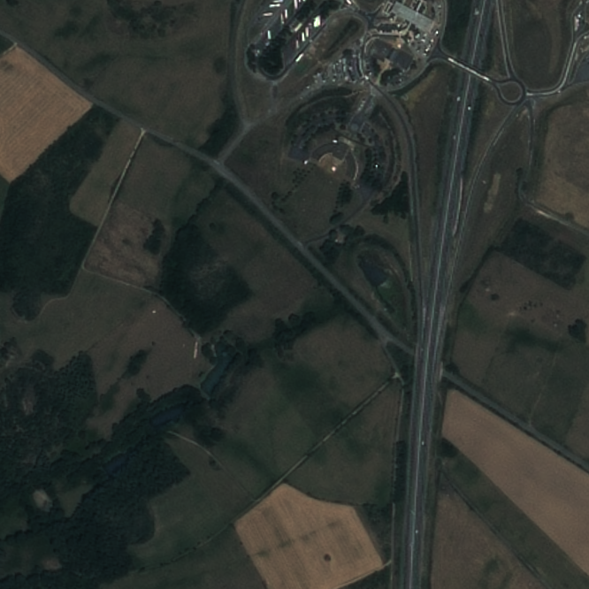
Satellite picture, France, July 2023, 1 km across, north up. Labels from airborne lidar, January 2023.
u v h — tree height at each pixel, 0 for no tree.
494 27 0
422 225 0
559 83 0
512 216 0
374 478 0
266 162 0
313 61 0
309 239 0
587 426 0
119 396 0
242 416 0
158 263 0
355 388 0
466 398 0
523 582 0
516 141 0
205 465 0
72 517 6
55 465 14
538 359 0
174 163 0
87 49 0
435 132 0
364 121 0
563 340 0
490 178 0
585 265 0
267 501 0
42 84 0
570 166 0
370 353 0
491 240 0
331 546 0
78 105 0
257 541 0
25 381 7
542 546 0
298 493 0
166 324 0
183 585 0
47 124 0
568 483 0
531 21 0
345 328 0
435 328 0
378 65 9
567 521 0
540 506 0
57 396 6
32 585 13
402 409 0
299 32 0
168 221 0
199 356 0
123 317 0
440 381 0
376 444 0
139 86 0
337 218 14
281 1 0
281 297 0
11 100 0
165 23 0
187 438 0
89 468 17
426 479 0
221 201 0
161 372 0
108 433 0
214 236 0
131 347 0
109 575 14
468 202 0
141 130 0
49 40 0
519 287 0
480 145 0
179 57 0
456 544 0
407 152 0
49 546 0
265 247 0
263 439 0
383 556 0
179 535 0
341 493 0
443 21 0
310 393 0
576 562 0
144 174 0
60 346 0
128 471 21
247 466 0
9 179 0
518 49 0
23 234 5
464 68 0
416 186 0
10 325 0
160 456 6
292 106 0
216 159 0
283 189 0
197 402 18
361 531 0
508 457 0
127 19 0
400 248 0
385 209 10
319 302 0
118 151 0
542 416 0
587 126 0
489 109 0
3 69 0
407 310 0
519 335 0
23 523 0
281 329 16
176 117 0
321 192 0
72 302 0
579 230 0
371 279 0
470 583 0
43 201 0
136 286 0
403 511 0
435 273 0
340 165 0
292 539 0
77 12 0
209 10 0
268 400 0
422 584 0
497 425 0
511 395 0
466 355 0
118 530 7
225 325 0
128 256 0
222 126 7
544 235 0
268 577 0
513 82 0
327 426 0
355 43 0
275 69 10
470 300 0
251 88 0
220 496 0
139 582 0
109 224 0
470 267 0
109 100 0
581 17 0
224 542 0
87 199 0
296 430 0
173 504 0
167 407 15
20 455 11
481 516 0
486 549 0
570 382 0
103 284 0
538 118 0
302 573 0
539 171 0
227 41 0
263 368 0
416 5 0
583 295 0
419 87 0
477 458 0
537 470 0
